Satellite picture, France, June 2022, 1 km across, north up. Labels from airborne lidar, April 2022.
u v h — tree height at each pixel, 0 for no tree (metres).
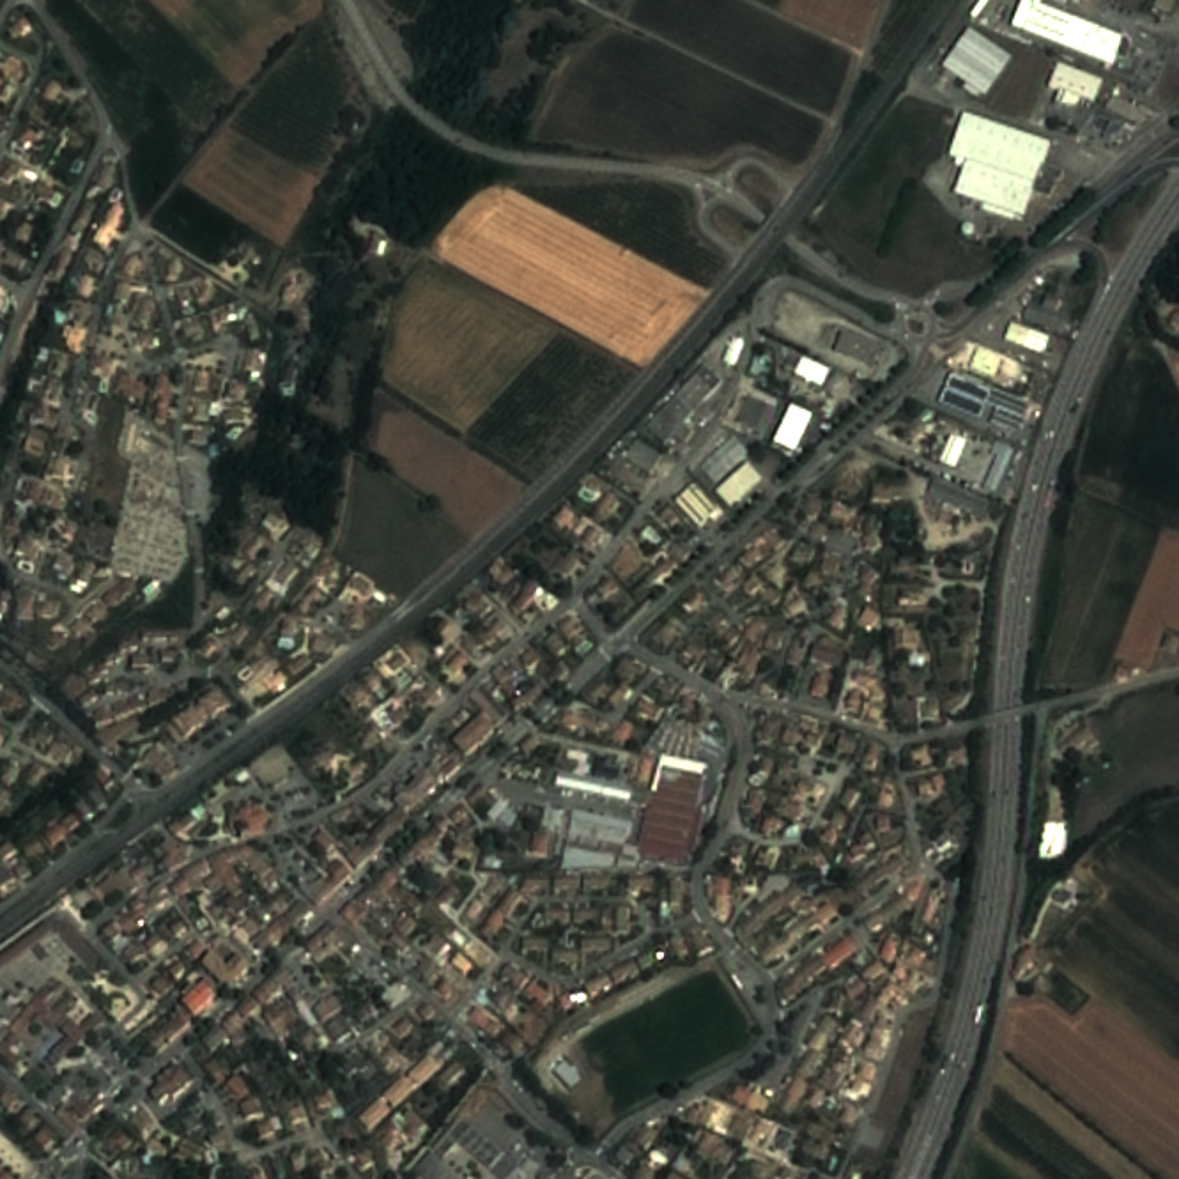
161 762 0
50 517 9
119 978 9
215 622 7
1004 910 0
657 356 0
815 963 0
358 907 0
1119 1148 7
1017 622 0
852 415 13
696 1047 0
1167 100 0
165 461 0
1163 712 0
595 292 0
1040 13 0
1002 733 0
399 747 0
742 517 14
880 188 0
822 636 0
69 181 12
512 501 0
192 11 0
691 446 0
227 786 7
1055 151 0
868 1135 0
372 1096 13
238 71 0
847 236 0
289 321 12
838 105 0
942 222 0
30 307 0
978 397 0
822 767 6
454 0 12
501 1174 0
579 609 0
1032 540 0
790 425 0
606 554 0
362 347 0
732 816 0
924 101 0
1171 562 0
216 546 11
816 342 0
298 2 0
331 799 0
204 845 9
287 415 18
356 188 18
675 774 0
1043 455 0
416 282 0
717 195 0
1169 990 0
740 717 0
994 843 0
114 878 0
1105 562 0
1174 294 11
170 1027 0
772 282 0
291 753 9
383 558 0
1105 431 0
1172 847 0
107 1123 12
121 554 0
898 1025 0
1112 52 0
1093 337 0
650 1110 0
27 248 7
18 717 9
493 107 13
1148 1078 0
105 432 0
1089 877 0
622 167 0
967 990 0
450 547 0
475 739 0
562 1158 8
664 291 0
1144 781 0
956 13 0
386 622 0
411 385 0
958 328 0
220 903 7
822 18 0
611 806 0
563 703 11
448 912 0
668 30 0
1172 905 0
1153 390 0
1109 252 0
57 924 0
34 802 13
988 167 0
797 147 0
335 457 16
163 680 0
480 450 7
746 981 0
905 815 0
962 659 0
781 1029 16
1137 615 0
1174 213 0
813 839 11
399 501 0
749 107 0
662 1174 10
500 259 0
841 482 0
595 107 0
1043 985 0
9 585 9
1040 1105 0
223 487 11
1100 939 0
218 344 0
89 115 0
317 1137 0
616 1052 0
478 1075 8
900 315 0
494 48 18
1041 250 17
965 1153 0
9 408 9
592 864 0
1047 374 0
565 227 0
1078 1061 0
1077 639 0
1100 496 0
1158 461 0
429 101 20
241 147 0
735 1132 0
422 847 0
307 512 15
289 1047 15
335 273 16
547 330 0
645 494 0
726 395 0
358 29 0
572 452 0
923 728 9
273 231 0
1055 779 12
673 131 0
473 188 10
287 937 11
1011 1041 0
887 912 0
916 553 8
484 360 0
